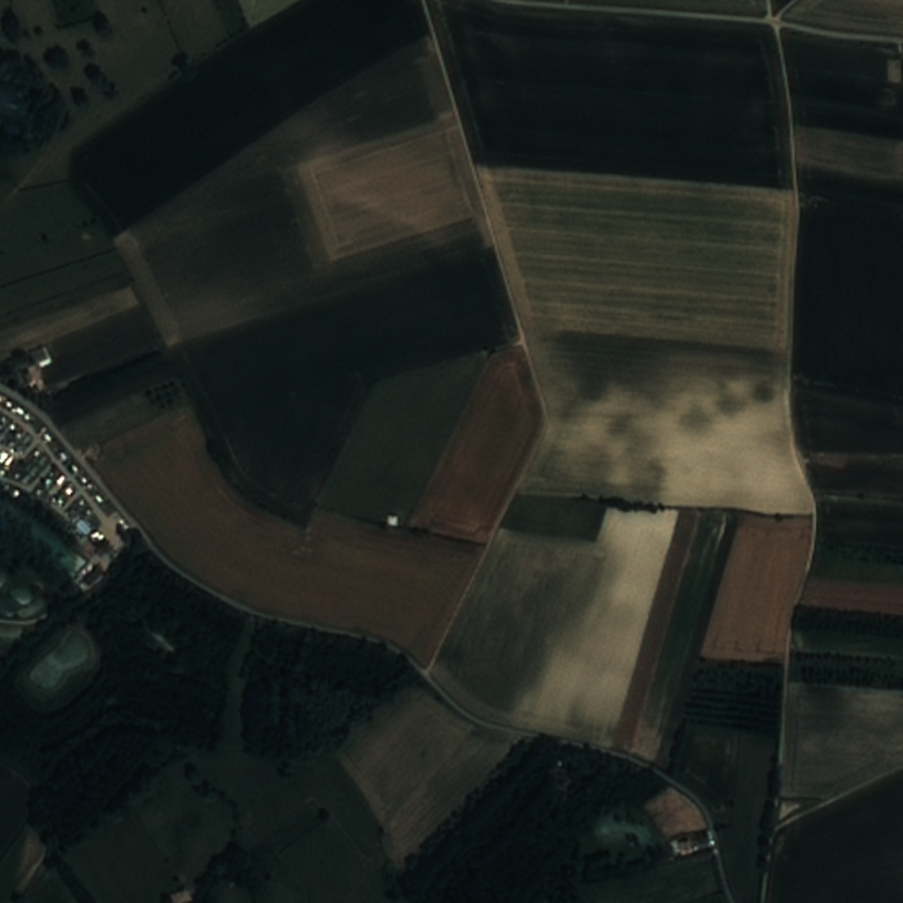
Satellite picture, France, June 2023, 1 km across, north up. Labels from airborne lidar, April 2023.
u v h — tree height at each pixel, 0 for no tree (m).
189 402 0
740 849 0
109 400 0
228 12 0
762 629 0
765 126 0
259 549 0
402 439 0
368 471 0
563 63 0
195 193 0
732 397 0
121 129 0
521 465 0
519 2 0
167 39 0
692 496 0
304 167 0
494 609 0
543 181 0
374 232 0
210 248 0
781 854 0
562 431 0
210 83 0
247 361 0
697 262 0
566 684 0
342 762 0
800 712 0
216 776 0
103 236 0
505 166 0
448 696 0
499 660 0
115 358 0
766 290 0
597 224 0
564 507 0
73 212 0
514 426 0
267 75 0
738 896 0
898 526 0
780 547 0
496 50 0
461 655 0
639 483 0
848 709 0
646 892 0
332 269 0
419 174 0
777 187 0
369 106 0
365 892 0
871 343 0
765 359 0
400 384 0
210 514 0
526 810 27
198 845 0
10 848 0
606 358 0
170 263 0
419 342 0
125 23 0
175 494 0
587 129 0
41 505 12
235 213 0
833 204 0
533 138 0
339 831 0
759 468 0
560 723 0
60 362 0
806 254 0
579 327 0
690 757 0
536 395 0
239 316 0
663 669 0
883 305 0
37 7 0
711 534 0
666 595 0
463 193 0
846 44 0
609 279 0
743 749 0
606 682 0
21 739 15
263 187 0
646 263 0
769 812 12
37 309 0
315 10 0
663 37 0
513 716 0
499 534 0
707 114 0
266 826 0
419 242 0
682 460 0
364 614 0
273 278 0
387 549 0
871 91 0
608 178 0
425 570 0
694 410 0
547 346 0
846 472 0
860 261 0
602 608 0
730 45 0
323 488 0
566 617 0
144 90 0
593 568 0
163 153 0
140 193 0
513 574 0
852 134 0
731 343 0
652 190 0
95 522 0
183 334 0
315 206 0
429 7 0
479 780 0
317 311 0
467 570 0
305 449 0
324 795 0
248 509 0
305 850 0
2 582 0
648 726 0
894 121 0
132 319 0
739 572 0
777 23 0
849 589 0
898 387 0
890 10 0
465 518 0
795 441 0
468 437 0
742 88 0
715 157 0
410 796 0
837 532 0
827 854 0
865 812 0
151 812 0
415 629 0
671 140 0
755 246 0
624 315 0
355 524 0
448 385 0
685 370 0
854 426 0
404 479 0
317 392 0
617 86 0
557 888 11
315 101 0
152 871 0
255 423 0
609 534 0
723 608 0
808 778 0
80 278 0
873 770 0
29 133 14
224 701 11
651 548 0
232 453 0
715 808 0
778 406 0
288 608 0
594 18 0
